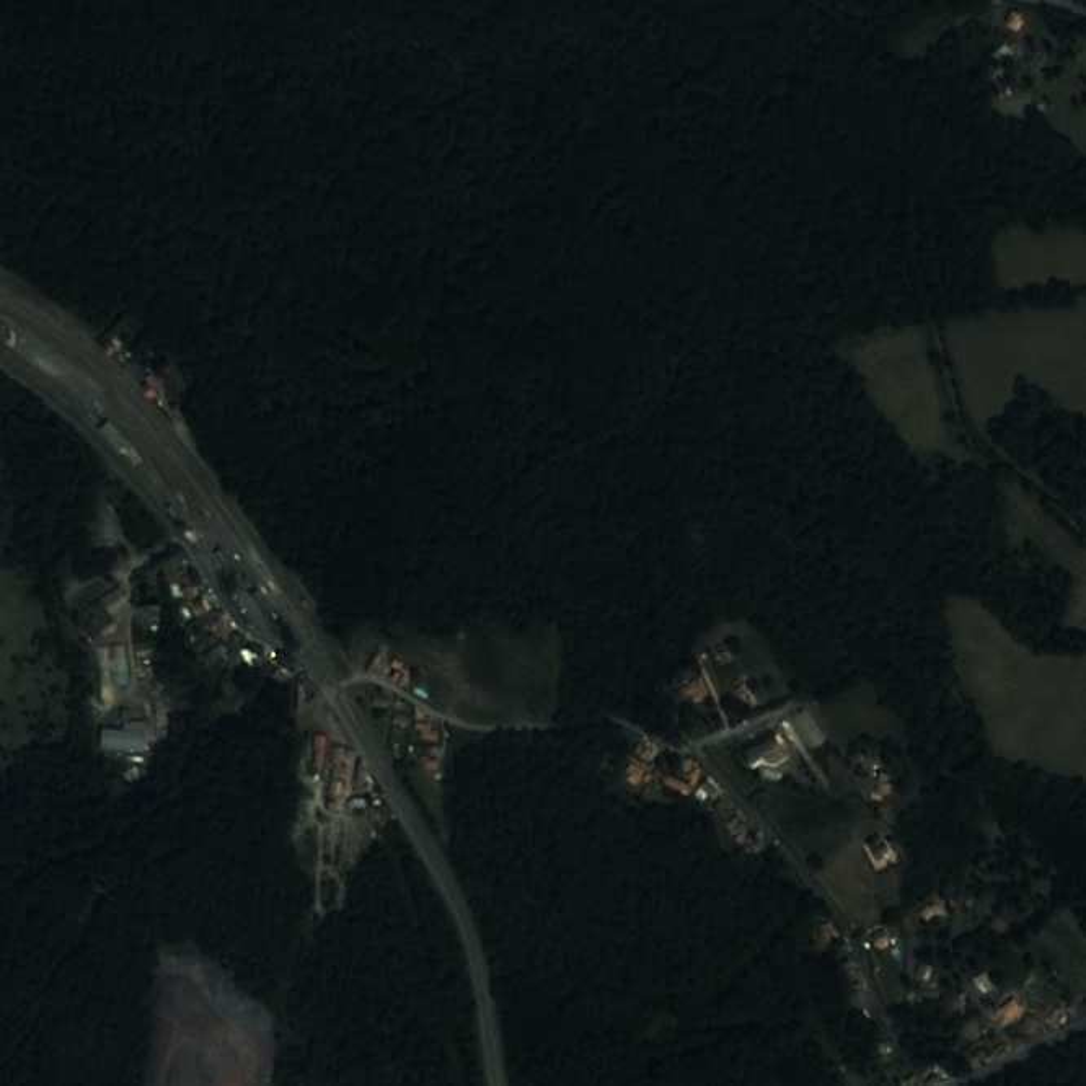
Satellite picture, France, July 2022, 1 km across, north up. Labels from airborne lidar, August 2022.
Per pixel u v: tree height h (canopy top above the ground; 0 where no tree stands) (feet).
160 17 52
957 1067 39
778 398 67
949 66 68
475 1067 52
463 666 0
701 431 45
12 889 51
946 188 63
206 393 46
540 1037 43
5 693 0
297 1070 26
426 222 61
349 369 61
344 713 0
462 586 50
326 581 73
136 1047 44
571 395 62
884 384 0
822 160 63
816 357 46
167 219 60
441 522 65
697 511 34
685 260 54
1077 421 24
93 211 58
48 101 73
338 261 68
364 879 32
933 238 52
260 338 58
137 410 0
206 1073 0
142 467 0
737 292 51
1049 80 19
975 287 60
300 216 69
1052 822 18
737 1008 67
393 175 66
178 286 56
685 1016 24
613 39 45
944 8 27
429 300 71
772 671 0
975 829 33
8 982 56
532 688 0
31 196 65
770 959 51
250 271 58
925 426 0
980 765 54
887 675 49
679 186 50
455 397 56
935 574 64
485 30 63
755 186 63
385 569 69
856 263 78
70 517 51
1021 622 50
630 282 54
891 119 63
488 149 65
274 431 64
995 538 22
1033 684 0
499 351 68
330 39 50
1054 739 0
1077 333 0
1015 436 81
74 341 0
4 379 64
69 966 33
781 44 61
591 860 66
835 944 41
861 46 41
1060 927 0
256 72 49
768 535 45
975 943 23
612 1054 57
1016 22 0
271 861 65
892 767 36
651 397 46
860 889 0
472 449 68
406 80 61
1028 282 0
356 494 66
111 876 34
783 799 0
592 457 53
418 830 0
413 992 51
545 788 35
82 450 41
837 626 31
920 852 21
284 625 32
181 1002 0
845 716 0
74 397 0
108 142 70
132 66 42
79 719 33
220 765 48
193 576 37
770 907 31
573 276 59
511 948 28
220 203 69
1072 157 62
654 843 57
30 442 45
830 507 70
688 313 52
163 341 46
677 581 34
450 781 31
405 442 82
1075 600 0
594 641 56
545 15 54
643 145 49
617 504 65
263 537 24
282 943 38
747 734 0
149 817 55
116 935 54
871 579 56
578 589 41
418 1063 59
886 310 56
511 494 64
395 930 48
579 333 66
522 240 71
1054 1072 59
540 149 28
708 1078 32
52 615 33
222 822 48
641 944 47
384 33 40
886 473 73
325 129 73
